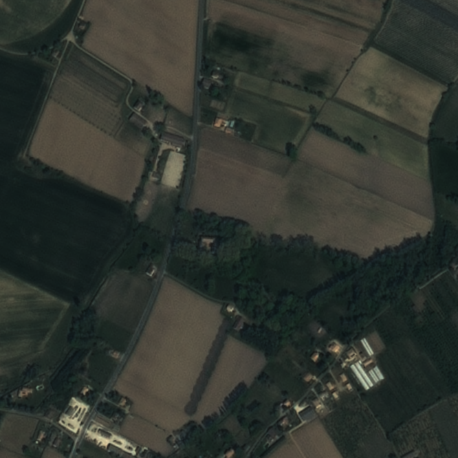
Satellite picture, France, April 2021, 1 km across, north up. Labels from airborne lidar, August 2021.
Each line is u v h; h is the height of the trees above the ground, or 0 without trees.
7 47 0
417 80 0
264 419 0
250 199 0
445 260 15
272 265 0
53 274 0
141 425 0
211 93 16
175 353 0
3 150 0
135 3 0
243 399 31
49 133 0
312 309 25
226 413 21
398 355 0
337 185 0
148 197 0
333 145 0
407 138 0
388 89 0
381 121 0
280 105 0
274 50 0
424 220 0
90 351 9
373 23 0
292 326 18
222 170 0
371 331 0
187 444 30
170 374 0
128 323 0
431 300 0
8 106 0
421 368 0
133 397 0
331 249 0
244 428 20
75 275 0
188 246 31
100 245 0
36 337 0
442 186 0
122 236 0
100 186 0
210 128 6
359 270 20
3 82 0
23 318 0
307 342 0
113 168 0
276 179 0
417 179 0
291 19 0
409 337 0
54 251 0
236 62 0
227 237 26
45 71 0
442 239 16
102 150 0
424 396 0
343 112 0
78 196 0
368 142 0
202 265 32
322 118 0
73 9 0
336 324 0
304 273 0
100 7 0
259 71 0
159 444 0
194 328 0
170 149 0
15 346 0
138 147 0
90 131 0
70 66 6
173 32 0
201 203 0
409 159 0
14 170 0
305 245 34
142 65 0
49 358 0
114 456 13
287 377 0
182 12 0
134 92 0
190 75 0
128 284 0
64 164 0
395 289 22
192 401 0
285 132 0
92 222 0
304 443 0
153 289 0
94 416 0
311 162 0
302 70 0
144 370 0
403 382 0
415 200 0
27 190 0
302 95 0
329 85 0
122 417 6
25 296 0
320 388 0
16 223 0
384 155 0
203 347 0
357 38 0
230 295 0
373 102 0
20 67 0
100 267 0
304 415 0
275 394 0
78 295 0
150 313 0
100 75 6
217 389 0
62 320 0
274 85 0
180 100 0
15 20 0
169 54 0
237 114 0
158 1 0
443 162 0
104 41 0
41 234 0
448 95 9
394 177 0
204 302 0
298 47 0
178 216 18
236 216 0
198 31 0
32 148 0
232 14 0
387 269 28
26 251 0
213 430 33
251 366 0
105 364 0
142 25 0
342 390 0
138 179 0
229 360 0
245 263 25
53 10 0
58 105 0
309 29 0
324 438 0
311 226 0
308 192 0
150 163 8
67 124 0
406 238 0
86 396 10
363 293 27
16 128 0
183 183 8
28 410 15
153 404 0
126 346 0
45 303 0
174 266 0
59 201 0
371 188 0
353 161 0
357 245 0
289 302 27
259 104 0
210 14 0
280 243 30
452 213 0
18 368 0
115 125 0
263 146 0
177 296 0
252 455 6
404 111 0
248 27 0
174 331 0
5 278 0
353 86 0
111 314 0
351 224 0
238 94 0
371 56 0
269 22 0
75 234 0
